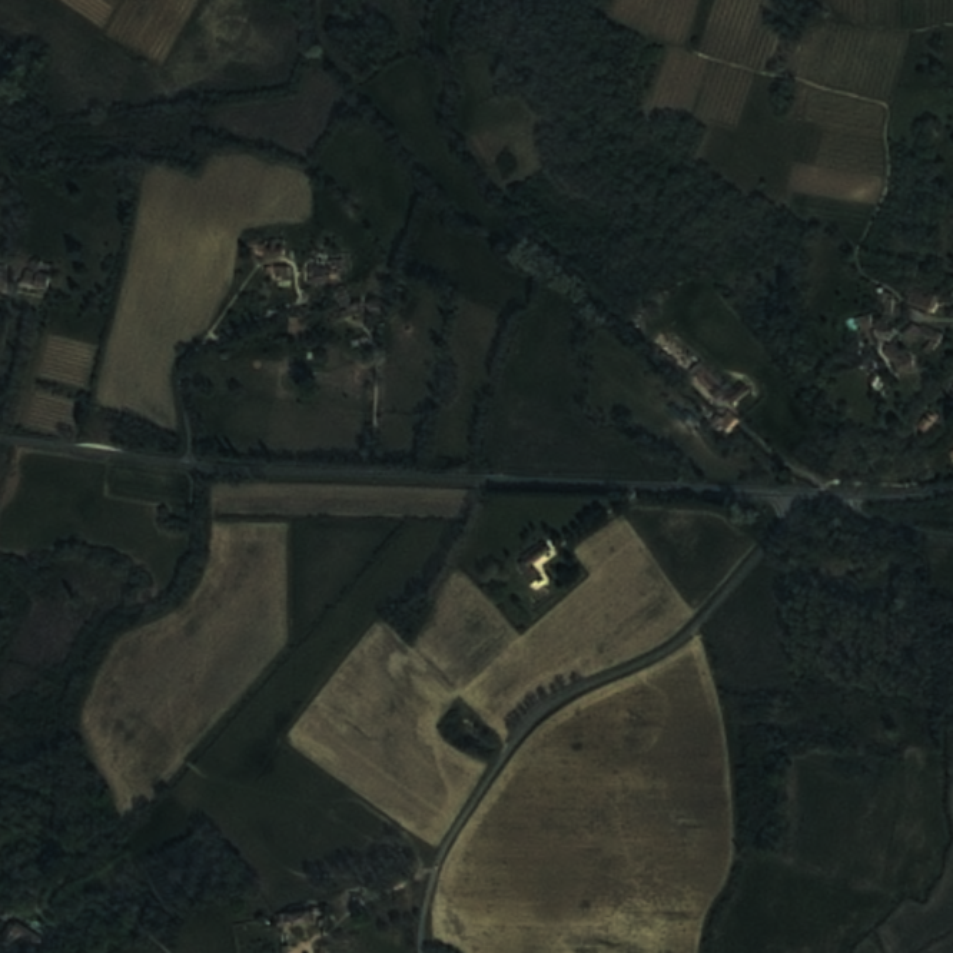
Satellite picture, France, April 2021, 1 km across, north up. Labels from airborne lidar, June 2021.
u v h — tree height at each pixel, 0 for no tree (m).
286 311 15
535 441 0
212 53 0
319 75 0
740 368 0
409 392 0
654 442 17
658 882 0
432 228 0
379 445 15
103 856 16
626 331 22
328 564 0
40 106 18
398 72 0
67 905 17
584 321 7
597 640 0
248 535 0
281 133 0
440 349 22
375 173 0
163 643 0
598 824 0
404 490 0
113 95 0
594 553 0
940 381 18
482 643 0
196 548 14
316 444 0
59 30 0
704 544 0
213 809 0
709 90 0
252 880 21
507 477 0
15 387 19
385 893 20
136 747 0
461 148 13
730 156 0
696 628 0
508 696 0
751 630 0
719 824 0
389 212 0
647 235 20
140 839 0
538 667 0
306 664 0
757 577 0
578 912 0
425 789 0
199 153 7
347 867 19
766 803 6
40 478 0
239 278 8
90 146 8
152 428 15
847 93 0
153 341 0
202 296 0
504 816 0
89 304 14
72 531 0
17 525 0
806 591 38
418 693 0
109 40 0
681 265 19
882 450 21
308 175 0
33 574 16
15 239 17
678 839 0
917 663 26
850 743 7
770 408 0
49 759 19
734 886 8
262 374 0
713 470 0
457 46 13
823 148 0
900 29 0
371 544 0
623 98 16
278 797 0
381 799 0
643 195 23
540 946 0
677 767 0
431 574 0
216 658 0
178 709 0
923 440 15
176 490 0
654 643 0
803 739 8
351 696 0
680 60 0
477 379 0
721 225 24
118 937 17
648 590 0
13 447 0
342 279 7
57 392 7
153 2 0
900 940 0
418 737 0
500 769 0
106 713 0
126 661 0
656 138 16
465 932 0
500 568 14
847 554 30
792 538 28
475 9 13
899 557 20
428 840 0
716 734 0
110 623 9
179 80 0
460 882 0
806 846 0
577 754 0
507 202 12
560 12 21
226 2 0
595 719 0
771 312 12
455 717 10
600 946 0
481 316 0
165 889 18
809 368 21
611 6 0
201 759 0
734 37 0
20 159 13
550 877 0
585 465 0
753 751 0
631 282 21
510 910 0
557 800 0
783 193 0
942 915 0
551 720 0
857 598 22
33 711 7
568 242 14
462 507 0
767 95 0
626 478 0
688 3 0
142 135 9
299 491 0
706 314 0
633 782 0
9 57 12
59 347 0
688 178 20
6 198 14
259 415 0
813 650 36
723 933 0
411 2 0
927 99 0
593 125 22
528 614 9
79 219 0
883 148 0
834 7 0
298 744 0
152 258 0
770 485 14
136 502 0
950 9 0
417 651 0
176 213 0
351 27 20
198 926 0
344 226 0
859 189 0
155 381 0
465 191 0
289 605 0
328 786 0
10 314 17
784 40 13
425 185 19
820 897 0
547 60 26
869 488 23
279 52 0
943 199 23
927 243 17
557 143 19
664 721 0
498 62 6
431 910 0
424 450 20
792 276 18
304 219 0
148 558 0
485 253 0
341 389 0
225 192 0
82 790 21
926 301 0
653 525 0
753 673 0
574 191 15
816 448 14
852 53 0
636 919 0
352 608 0
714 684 0
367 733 0
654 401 0
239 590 0
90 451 0
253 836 0
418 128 0
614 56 15
